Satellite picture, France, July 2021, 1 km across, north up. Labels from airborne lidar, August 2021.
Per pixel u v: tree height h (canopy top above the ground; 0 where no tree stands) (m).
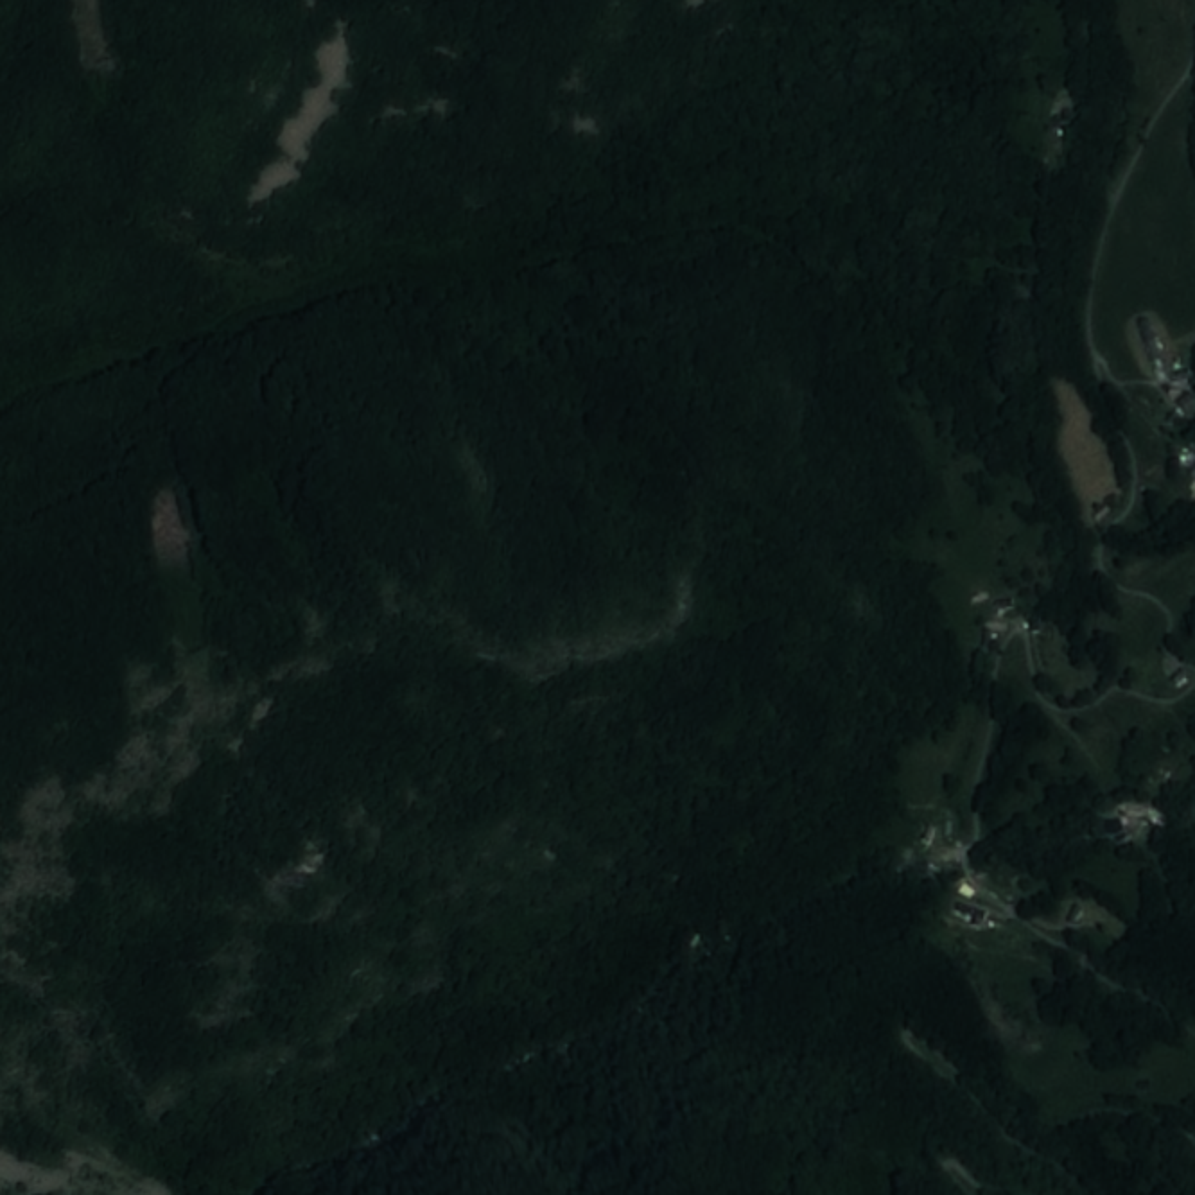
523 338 12
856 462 11
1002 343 19
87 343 16
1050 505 11
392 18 23
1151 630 0
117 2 22
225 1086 7
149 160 25
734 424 13
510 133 23
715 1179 27
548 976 16
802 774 18
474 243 9
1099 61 18
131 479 29
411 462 18
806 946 17
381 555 16
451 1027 23
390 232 7
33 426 17
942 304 18
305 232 17
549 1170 10
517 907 12
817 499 11
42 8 18
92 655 22
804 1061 21
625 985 22
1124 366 0
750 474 11
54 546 26
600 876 21
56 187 17
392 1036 19
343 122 16
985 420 17
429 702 13
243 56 12
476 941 8
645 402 18
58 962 16
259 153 12
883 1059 16
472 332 21
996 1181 14
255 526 23
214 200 10
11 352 21
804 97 16
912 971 19
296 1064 6
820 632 14
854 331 21
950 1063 12
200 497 25
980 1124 16
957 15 14
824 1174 13
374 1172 17
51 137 17
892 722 16
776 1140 21
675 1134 26
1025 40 21
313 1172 18
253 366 28
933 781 0
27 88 15
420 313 28
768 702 15
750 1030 16
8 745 15
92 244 17
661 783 20
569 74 12
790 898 17
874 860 19
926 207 20
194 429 26
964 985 23
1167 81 0
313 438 28
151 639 25
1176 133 0
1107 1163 11
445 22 22
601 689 6
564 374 8
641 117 12
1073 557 15
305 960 24
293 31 11
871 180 17
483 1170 12
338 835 12
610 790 7
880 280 15
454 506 22
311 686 15
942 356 9
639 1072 22
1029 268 20
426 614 6
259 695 8
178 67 20
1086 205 17
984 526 0
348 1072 11
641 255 23
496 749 15
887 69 19
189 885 13
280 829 20
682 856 18
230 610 8
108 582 25
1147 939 19
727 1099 18
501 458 21
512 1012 23
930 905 13
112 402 14
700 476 12
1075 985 20
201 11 18
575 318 16
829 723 17
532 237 10
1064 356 23
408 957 9
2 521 20
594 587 12
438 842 14
